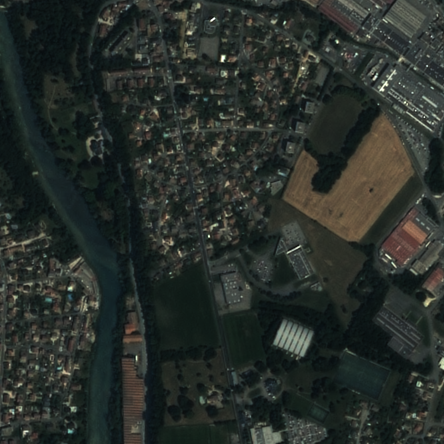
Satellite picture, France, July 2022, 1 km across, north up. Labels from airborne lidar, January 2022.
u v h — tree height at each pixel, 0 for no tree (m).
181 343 0
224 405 9
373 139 0
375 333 19
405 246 0
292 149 0
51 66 22
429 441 11
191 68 0
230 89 0
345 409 0
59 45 22
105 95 19
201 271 0
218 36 0
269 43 0
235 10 0
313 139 0
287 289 0
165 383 0
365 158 0
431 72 0
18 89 0
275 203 0
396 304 0
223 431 0
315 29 0
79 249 13
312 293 0
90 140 0
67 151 21
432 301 0
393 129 0
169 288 0
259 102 0
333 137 0
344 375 0
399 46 0
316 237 0
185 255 0
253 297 0
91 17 23
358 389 0
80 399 0
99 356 0
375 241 0
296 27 0
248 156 0
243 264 0
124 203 25
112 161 18
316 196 0
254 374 21
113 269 0
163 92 0
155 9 0
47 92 0
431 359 0
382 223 0
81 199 0
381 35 0
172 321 0
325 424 0
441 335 0
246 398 0
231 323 0
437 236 0
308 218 0
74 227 0
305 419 0
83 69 19
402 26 0
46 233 0
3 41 0
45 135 17
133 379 0
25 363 0
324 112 0
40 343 0
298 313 0
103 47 15
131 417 0
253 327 0
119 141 13
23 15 19
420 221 0
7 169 24
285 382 0
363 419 0
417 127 0
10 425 0
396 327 0
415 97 0
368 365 0
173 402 0
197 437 0
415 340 0
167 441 0
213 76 0
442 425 0
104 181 18
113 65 27
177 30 8
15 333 9
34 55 21
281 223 0
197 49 0
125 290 11
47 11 17
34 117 0
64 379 0
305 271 0
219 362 0
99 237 0
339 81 0
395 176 0
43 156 0
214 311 0
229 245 6
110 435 0
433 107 0
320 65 0
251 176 0
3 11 0
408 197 0
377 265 0
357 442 0
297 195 0
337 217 0
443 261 0
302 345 0
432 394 0
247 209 0
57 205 0
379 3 0
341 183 0
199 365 0
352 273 0
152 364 10
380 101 0
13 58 0
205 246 0
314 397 13
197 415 0
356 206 0
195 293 0
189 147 0
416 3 0
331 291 0
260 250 0
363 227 0
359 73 0
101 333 0
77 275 0
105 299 0
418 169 0
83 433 8
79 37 26
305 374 0
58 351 0
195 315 0
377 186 0
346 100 0
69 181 0
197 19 0
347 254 0
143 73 0
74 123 7
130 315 0
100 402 0
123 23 21
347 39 7
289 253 0
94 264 0
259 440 0
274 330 10
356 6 0
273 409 24
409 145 0
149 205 0
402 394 7
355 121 0
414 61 0
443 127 0
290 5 11
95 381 0
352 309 0
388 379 0
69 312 10
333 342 27
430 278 0
